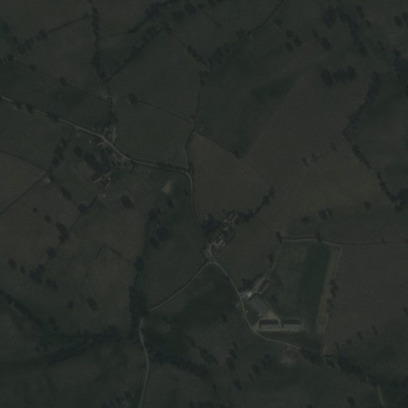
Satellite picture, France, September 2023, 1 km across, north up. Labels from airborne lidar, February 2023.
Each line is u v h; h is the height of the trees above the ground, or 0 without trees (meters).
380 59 0
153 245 13
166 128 0
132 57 13
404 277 0
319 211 0
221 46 0
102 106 0
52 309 0
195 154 0
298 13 0
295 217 0
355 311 0
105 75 14
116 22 0
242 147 0
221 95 0
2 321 0
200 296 0
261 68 0
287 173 0
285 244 0
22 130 0
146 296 0
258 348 0
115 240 0
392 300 0
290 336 0
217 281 0
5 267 0
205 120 0
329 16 20
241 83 0
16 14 0
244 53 0
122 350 0
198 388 0
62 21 0
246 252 0
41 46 0
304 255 0
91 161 16
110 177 0
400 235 0
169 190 0
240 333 0
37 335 9
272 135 0
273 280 0
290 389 0
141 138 0
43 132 0
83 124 0
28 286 0
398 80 0
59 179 0
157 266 0
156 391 0
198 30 0
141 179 0
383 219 0
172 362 16
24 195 0
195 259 0
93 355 0
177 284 0
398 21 16
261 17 0
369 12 0
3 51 0
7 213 0
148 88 0
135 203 0
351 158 0
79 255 0
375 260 0
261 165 0
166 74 0
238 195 0
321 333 0
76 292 0
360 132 0
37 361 0
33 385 0
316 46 0
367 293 0
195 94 0
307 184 0
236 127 0
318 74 0
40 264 0
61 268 0
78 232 0
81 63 0
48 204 0
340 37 0
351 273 0
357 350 0
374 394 0
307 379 0
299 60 0
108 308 0
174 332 0
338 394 0
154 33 18
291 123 0
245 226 0
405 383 13
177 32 0
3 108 0
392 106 0
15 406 0
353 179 0
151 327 0
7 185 0
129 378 0
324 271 0
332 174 0
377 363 0
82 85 0
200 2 0
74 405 0
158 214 16
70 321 0
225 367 0
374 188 0
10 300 20
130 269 0
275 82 0
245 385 0
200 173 0
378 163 0
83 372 0
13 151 0
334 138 0
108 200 0
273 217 0
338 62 0
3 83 0
